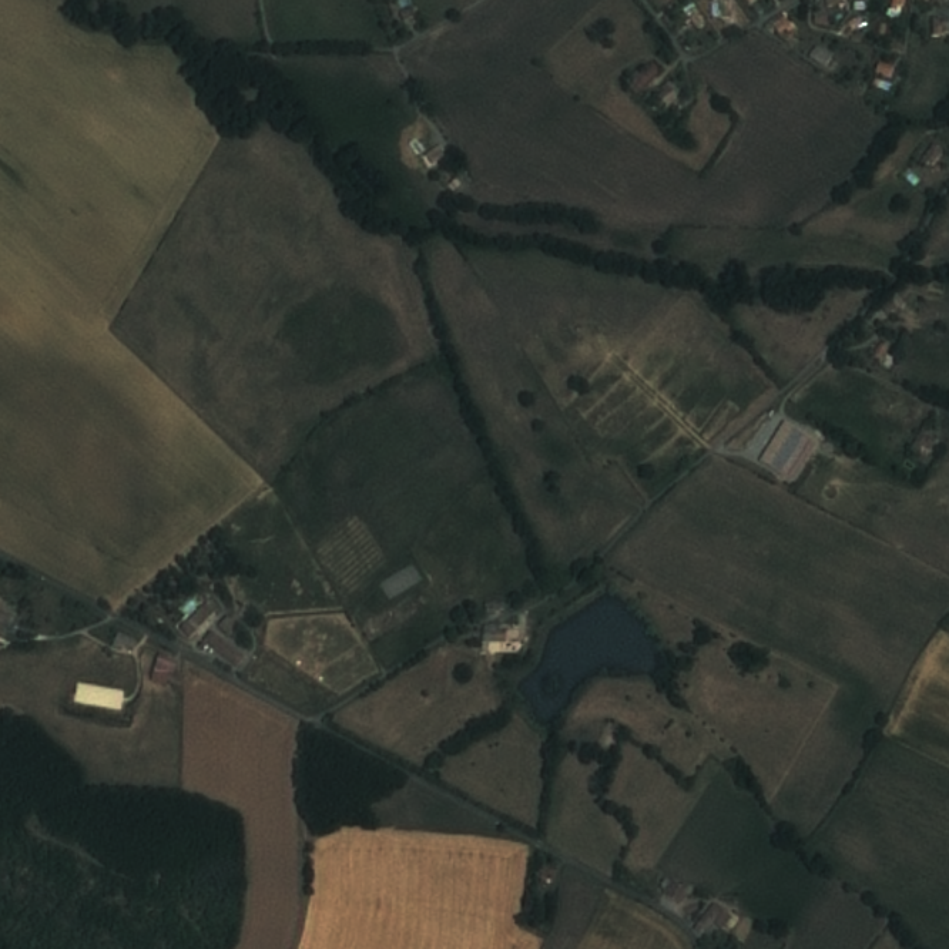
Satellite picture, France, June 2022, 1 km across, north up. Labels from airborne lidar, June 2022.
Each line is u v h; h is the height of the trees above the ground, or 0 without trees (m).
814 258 0
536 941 0
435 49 0
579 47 0
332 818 16
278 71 19
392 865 0
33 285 0
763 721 0
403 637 0
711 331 0
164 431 0
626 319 0
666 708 0
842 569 0
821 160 0
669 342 0
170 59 0
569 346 0
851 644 0
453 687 0
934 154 0
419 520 0
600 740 0
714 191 0
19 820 10
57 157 0
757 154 0
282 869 0
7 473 0
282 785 0
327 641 0
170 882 11
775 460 0
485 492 0
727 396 0
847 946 0
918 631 0
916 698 0
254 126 17
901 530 0
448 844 0
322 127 9
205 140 0
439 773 7
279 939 0
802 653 0
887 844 0
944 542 0
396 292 0
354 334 0
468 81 0
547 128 0
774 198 0
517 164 0
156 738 0
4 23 0
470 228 16
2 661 0
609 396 0
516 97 0
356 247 0
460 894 0
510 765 0
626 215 0
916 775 0
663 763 6
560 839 0
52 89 0
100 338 0
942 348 0
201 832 14
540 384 0
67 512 0
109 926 7
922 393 15
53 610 0
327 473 0
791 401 0
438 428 0
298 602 0
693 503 0
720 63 0
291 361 0
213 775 0
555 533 0
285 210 0
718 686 0
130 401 0
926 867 0
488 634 0
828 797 0
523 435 0
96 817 18
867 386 0
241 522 0
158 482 0
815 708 0
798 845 9
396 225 20
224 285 0
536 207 14
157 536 0
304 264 0
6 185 0
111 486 0
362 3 0
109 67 0
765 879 0
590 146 0
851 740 0
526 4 0
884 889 0
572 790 0
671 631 0
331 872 0
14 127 0
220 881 11
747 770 9
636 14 0
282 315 0
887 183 0
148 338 0
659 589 0
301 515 0
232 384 0
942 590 0
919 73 0
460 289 0
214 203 0
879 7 13
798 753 0
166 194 0
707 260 0
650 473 15
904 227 0
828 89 0
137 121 0
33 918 7
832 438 10
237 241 0
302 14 0
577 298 0
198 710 0
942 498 0
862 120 0
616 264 22
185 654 0
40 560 0
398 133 0
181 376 0
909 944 19
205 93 17
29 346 0
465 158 12
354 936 0
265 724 0
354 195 14
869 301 11
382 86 0
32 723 15
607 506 0
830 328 0
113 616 0
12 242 0
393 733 0
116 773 0
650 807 0
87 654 0
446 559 0
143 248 0
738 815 0
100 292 0
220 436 0
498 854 0
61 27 0
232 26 0
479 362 0
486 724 16
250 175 0
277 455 0
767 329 0
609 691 0
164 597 13
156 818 16
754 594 0
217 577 13
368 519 0
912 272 19
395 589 0
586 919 0
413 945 0
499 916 0
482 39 0
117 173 0
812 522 0
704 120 0
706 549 0
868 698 0
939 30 0
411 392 0
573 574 8
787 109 0
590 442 0
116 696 0
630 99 0
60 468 0
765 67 0
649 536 0
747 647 7
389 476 0
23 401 0
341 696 0
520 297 0
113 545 0
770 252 0
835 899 0
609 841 0
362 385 0
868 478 0
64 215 0
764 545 0
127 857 13
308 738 12
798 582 0
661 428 0
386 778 17
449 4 0
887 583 0
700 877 0
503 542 0
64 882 8
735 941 7
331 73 0
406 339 0
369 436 0
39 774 15
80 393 0
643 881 0
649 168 0
